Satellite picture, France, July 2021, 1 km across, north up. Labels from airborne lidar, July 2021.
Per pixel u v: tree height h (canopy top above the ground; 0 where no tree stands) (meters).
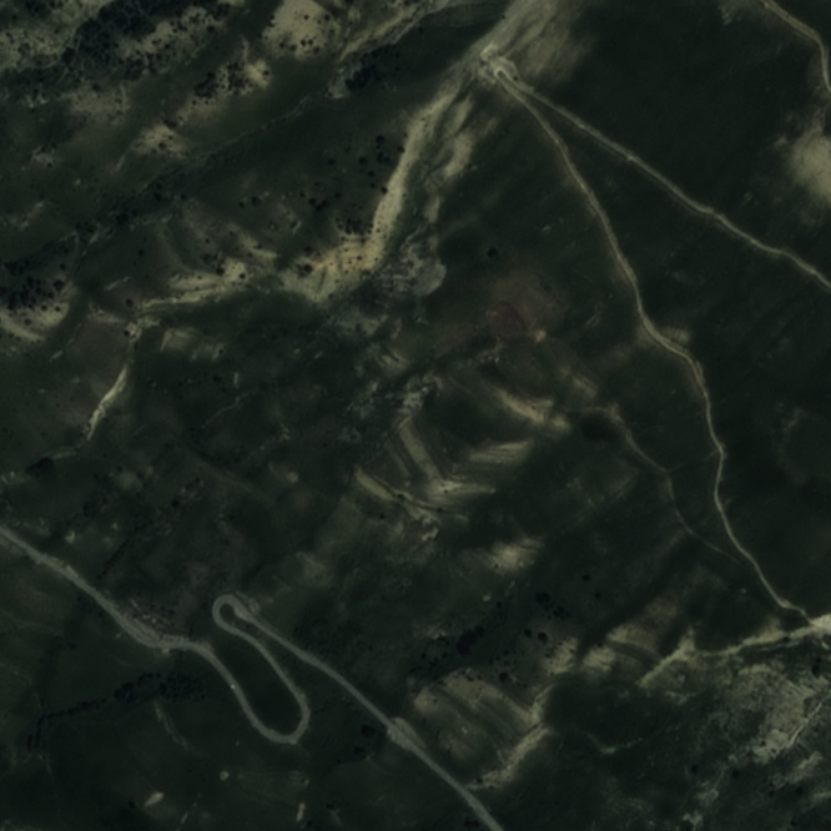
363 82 12
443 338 0
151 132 0
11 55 0
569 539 0
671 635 0
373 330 0
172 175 0
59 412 0
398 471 0
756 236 0
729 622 0
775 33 0
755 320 0
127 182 0
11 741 0
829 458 0
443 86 0
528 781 0
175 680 8
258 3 0
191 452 0
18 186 0
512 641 0
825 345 0
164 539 0
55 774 0
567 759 0
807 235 0
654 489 0
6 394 0
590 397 0
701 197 0
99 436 0
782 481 0
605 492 0
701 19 0
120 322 0
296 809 0
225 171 0
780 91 0
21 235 0
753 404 0
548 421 0
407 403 0
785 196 0
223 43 0
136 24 12
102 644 0
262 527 0
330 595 0
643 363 0
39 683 0
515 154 0
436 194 0
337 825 0
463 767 0
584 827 0
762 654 0
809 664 0
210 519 0
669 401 0
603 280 0
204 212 0
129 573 0
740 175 0
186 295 0
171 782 0
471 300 0
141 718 0
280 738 0
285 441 0
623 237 0
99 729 0
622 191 0
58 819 0
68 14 0
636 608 0
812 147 0
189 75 0
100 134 0
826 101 0
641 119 0
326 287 0
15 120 0
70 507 0
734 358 0
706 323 0
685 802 0
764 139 0
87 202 0
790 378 0
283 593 0
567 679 0
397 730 0
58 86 0
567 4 0
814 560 0
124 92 0
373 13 0
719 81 0
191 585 0
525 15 0
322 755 0
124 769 0
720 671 0
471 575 0
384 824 0
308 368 0
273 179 0
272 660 0
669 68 0
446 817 0
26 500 0
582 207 0
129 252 0
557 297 0
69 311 0
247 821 0
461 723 0
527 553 0
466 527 0
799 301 0
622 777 0
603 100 0
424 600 0
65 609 0
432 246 0
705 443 0
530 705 0
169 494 0
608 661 0
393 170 0
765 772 0
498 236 0
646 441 0
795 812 0
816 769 0
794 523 0
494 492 0
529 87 0
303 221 0
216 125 0
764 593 0
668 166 0
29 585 0
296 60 0
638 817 0
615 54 0
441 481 0
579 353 0
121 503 0
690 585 0
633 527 0
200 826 0
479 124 0
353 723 0
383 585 0
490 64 0
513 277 0
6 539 0
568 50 0
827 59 0
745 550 0
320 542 0
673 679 0
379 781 0
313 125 0
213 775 0
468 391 0
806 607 0
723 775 0
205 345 0
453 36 0
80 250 0
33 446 0
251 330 0
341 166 0
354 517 0
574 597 0
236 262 0
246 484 0
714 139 0
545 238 0
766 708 0
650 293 0
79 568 0
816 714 0
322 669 0
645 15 0
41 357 0
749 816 0
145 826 0
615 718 0
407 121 0
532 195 0
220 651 0
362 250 0
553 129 0
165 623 0
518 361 0
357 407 0
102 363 0
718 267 0
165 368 0
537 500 0
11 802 0
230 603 0
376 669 0
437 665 7
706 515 0
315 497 0
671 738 0
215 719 0
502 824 0
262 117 0
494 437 0
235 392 0
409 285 0
